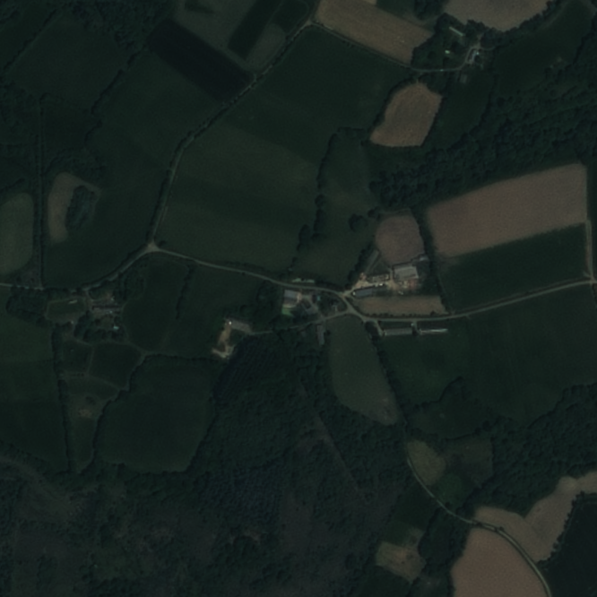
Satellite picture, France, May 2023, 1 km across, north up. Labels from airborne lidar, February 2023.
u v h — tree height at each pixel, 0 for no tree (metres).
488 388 0
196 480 19
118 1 18
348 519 6
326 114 0
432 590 0
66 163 8
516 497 7
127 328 0
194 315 0
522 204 0
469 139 19
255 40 0
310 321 9
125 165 0
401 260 0
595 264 0
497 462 7
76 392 0
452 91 6
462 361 0
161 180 0
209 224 0
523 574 0
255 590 10
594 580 0
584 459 18
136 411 0
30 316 15
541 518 0
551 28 0
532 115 12
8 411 0
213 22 0
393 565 0
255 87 6
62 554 0
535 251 0
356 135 13
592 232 0
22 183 13
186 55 0
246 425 11
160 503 6
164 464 0
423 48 13
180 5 0
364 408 0
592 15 0
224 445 13
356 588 9
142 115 0
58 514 0
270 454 15
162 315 0
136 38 10
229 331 0
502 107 25
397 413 0
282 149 0
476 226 0
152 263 0
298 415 14
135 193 0
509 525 0
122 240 0
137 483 13
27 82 0
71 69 0
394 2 0
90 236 0
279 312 0
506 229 0
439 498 0
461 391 10
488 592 0
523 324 0
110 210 0
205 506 20
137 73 0
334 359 0
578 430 11
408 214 0
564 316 0
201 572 8
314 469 7
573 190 0
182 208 0
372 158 0
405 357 0
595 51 16
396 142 0
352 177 0
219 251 0
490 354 0
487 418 0
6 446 8
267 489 26
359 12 0
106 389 0
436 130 13
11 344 0
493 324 0
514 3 0
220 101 0
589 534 0
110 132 0
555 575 0
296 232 0
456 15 0
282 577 12
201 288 0
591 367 0
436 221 0
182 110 0
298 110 0
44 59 0
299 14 0
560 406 8
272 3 0
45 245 8
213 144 0
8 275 0
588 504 0
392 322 0
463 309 0
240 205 0
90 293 8
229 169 0
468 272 0
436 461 0
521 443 7
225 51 0
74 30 0
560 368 0
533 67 0
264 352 19
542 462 14
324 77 0
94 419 0
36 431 0
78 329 14
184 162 0
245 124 0
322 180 12
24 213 0
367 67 0
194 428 0
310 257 0
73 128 0
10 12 7
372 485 15
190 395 0
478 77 0
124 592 13
